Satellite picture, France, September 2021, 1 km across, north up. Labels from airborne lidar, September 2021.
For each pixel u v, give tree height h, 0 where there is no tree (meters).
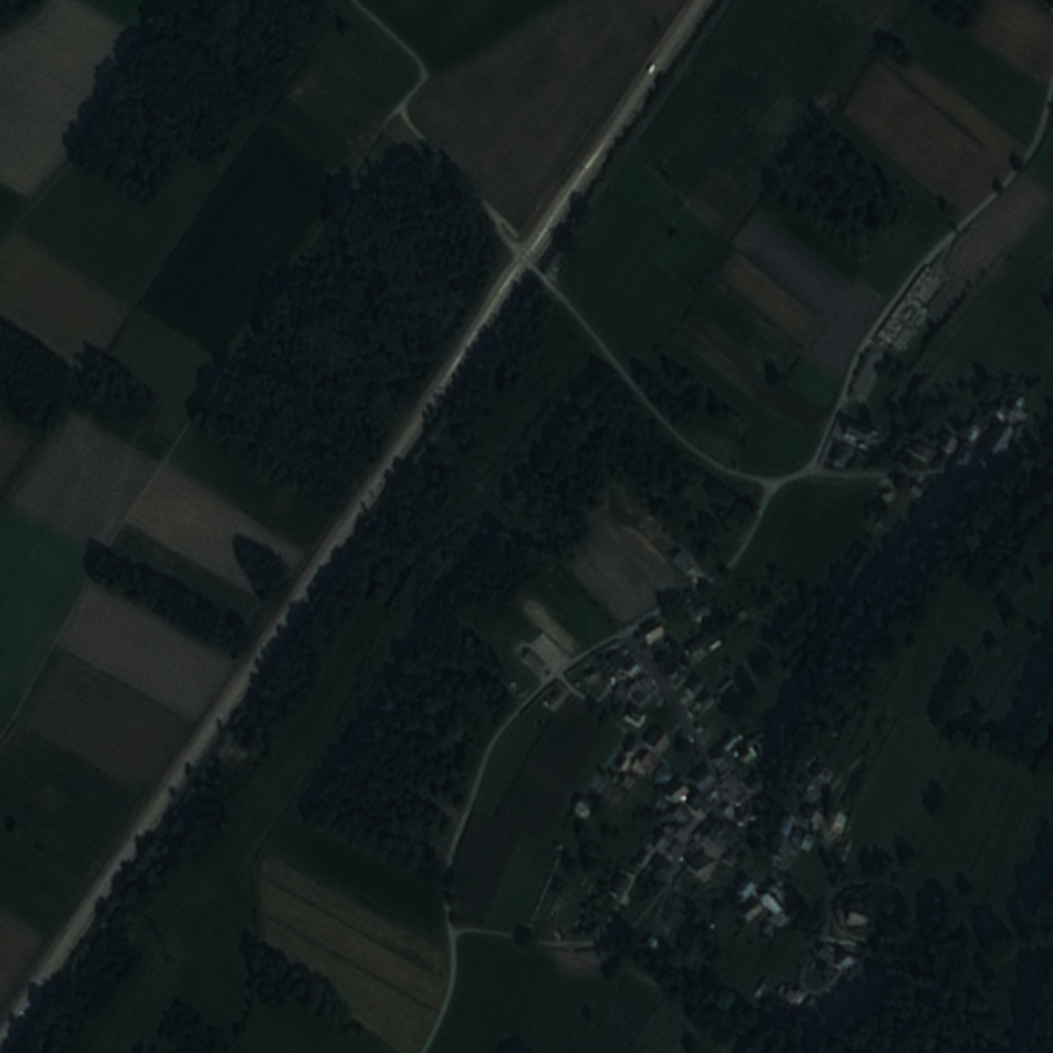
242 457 19
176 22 24
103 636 0
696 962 17
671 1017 0
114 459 0
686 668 10
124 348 0
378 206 26
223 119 25
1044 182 0
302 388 28
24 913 0
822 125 28
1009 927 0
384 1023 0
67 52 0
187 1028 9
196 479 0
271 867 0
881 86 0
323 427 25
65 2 0
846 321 0
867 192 22
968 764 0
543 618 0
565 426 18
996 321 0
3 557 0
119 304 0
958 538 34
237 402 22
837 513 0
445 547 11
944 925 21
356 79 0
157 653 0
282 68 26
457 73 0
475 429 14
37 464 0
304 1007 27
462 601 21
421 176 20
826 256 0
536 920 0
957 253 0
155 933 0
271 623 0
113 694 0
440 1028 0
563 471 23
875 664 29
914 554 20
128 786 0
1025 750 24
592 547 0
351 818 25
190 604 23
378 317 25
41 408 24
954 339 0
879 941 9
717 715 0
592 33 0
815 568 0
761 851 13
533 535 0
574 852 0
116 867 0
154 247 0
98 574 17
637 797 0
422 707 26
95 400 22
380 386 25
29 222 0
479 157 0
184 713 0
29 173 0
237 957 0
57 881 0
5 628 0
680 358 0
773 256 0
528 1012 0
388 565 9
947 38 0
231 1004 0
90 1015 19
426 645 23
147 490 0
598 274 0
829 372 0
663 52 0
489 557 24
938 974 20
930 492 0
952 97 0
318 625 22
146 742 0
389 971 0
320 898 0
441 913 0
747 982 0
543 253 0
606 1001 0
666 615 15
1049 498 22
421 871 24
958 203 0
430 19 0
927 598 24
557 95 0
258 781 0
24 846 0
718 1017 25
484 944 0
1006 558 25
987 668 0
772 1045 25
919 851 0
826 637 25
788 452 0
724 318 0
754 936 0
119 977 8
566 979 0
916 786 0
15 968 0
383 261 38
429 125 0
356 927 0
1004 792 0
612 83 0
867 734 0
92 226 0
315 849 0
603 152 0
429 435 13
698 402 20
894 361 8
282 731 24
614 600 0
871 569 0
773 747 6
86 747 0
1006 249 0
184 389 0
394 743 25
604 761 0
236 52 24
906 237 0
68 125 0
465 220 28
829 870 17
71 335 0
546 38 0
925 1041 25
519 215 0
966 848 0
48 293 0
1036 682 0
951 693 14
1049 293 0
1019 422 0
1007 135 0
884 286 0
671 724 0
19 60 0
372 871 0
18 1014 0
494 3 0
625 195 0
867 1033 29
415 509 24
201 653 0
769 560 0
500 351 25
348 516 0
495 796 0
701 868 0
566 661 0
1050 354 0
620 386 15
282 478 22
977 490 23
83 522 0
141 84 26
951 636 0
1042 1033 22
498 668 23
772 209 0
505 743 0
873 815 0
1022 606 0
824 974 7
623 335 0
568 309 0
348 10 0
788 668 6
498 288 0
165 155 25
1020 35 0
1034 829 0
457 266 24
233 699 0
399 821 11
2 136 0
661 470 13
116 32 0
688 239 0
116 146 19
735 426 11
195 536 0
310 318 24
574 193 0
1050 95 0
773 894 0
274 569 23
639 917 0
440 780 22
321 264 9
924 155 0
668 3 0
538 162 0
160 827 0
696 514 0
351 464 26
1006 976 0
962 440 11
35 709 0
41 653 0
